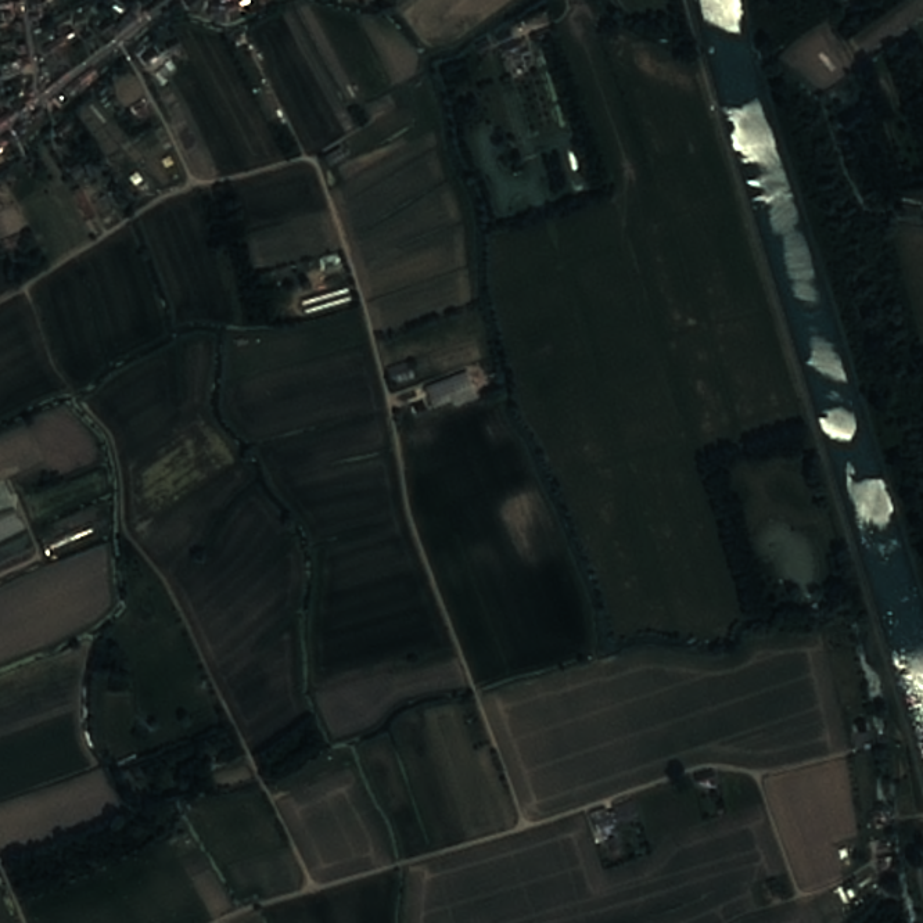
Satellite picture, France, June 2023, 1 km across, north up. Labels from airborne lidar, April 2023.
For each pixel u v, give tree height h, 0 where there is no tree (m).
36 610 0
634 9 0
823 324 0
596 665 0
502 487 0
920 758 0
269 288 7
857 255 8
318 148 0
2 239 0
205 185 0
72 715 0
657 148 0
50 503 0
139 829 17
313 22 0
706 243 0
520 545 0
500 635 0
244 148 0
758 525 0
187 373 0
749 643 0
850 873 0
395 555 0
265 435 0
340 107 0
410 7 0
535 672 0
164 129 0
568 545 0
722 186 0
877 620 0
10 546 0
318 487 0
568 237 0
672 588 0
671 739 0
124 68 5
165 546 0
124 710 0
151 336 0
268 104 0
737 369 0
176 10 12
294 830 0
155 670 0
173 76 0
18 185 0
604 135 0
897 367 19
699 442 0
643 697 0
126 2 8
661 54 0
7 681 0
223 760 6
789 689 0
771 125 0
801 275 0
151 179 0
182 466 0
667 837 0
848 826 0
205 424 0
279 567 0
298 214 0
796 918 0
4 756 0
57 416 0
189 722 10
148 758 10
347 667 0
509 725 0
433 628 0
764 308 0
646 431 0
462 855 0
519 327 0
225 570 0
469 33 0
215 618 0
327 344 0
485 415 0
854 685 0
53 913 0
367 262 0
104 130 0
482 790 0
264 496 0
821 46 0
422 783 0
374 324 0
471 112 17
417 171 0
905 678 0
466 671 0
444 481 0
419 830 0
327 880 0
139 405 0
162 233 0
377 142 0
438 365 0
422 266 0
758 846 0
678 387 0
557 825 0
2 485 0
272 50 0
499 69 0
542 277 0
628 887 0
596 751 0
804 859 0
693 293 0
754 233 0
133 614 0
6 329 0
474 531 0
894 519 0
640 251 0
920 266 0
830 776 0
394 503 0
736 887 0
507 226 7
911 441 14
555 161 6
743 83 0
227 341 0
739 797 0
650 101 0
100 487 0
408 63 0
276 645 0
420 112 0
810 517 0
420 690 0
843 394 0
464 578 0
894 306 15
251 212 0
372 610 0
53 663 0
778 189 0
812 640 0
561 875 0
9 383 0
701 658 0
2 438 0
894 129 0
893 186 14
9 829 0
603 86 0
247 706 0
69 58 0
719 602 0
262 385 0
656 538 0
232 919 0
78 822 0
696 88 0
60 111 6
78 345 0
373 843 0
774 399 0
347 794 0
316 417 0
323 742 10
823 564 0
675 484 0
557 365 0
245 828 0
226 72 0
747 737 0
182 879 0
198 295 0
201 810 0
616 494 0
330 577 0
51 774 0
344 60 0
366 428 0
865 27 7
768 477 0
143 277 0
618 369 0
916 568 0
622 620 0
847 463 0
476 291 0
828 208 15
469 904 0
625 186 0
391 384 10
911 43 17
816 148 12
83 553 0
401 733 0
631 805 0
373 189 0
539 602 0
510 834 0
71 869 8
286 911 0
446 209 0
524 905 0
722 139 0
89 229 0
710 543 0
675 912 0
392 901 0
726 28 0
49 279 0
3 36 0
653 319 0
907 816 0
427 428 0
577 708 0
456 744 0
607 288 0
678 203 0
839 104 9
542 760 0
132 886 0
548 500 0
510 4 0
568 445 0
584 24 0
